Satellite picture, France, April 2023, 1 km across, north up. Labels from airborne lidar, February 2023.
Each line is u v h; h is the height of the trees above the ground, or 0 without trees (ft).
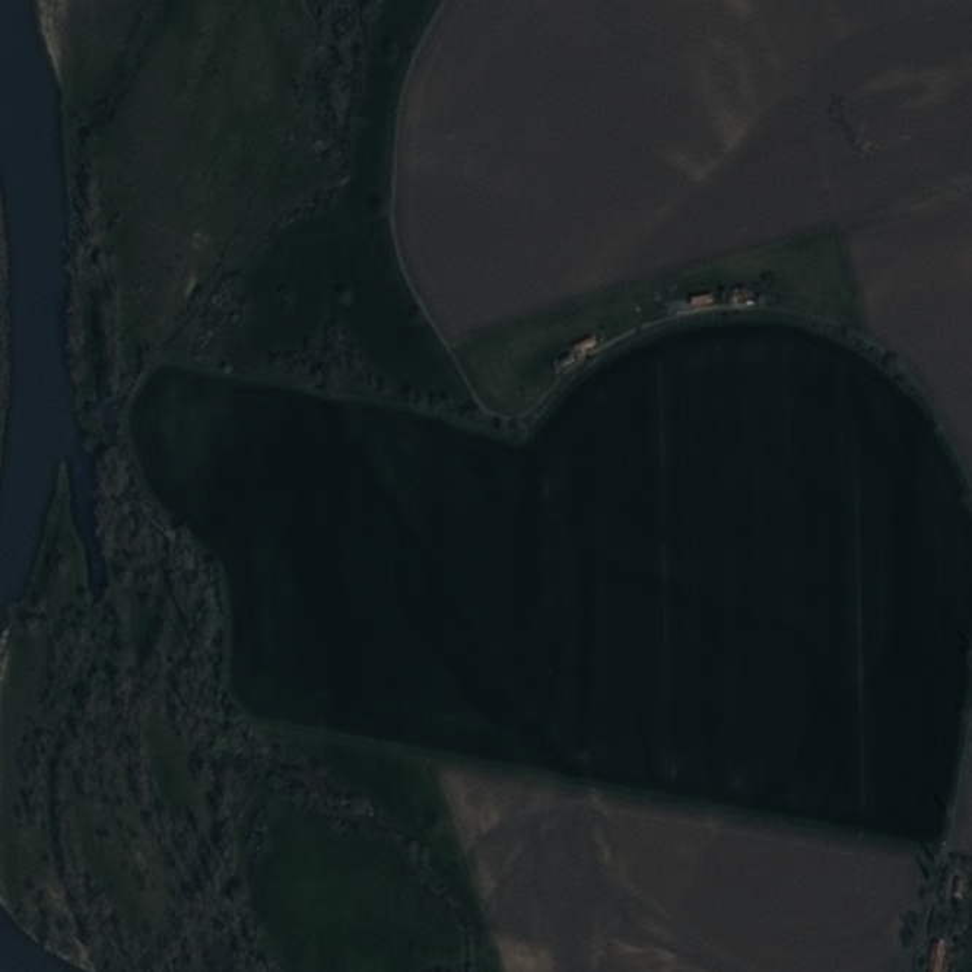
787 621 0
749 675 0
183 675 83
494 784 0
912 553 0
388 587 0
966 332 0
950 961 25
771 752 0
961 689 0
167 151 0
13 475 0
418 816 0
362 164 0
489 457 0
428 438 0
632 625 0
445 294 0
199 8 0
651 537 0
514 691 0
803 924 0
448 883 0
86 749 75
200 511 0
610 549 0
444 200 0
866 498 0
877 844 0
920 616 0
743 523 0
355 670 0
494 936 0
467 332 0
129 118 0
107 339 88
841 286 0
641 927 0
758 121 0
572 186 0
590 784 0
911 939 49
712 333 0
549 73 0
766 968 0
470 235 0
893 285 0
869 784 0
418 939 0
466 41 0
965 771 0
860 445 0
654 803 0
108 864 0
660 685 0
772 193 0
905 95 0
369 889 0
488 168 0
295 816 0
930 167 0
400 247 0
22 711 0
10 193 0
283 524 0
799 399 0
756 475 0
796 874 0
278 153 0
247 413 0
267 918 0
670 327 0
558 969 0
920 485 0
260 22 0
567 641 0
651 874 0
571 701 0
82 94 0
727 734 0
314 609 0
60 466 0
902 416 0
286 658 0
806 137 0
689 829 0
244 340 0
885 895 0
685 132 0
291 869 0
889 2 0
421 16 0
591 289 0
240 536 0
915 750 0
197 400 0
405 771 0
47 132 0
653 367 0
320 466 0
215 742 63
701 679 0
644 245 0
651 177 0
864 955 0
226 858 94
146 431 0
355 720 0
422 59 0
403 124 0
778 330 0
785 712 0
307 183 0
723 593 0
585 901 0
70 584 0
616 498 0
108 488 78
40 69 0
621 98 0
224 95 0
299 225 0
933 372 0
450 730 0
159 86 0
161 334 0
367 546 0
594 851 0
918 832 0
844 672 0
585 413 0
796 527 0
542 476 0
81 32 0
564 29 0
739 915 0
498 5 0
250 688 0
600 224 0
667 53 0
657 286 0
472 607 0
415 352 0
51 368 0
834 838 0
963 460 0
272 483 0
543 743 0
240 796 39
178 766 0
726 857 0
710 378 0
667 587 0
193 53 0
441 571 0
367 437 0
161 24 0
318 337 0
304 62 0
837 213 0
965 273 0
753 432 0
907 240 0
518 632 0
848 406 0
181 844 58
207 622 70
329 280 0
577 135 0
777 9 0
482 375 0
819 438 0
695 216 0
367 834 0
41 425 0
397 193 0
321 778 64
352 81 20
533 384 0
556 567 0
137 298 0
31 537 0
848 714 0
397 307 0
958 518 0
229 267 0
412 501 0
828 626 0
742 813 0
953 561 0
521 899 0
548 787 0
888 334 0
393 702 0
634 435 0
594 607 0
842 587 0
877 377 0
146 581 75
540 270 0
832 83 0
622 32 0
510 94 0
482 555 0
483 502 0
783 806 0
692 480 0
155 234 0
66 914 0
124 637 70
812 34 0
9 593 0
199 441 0
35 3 0
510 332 0
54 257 0
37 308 0
